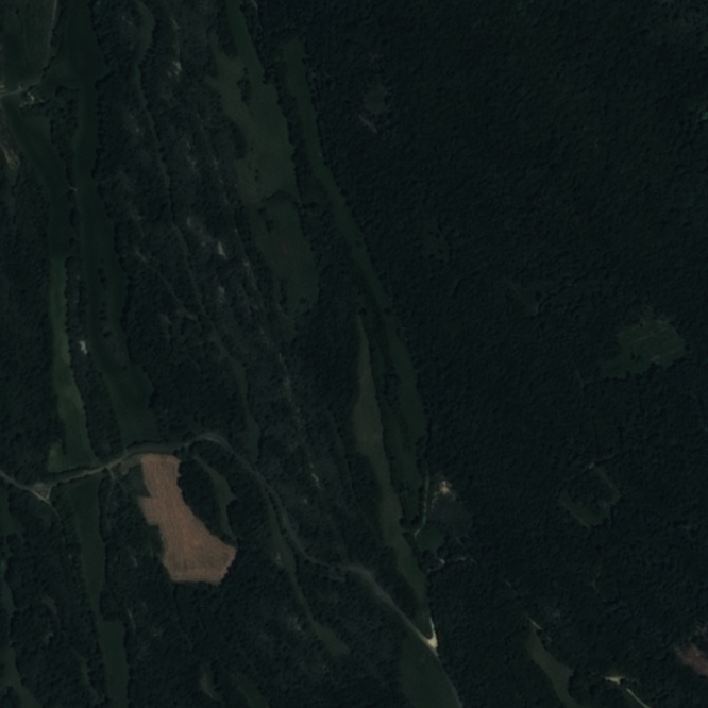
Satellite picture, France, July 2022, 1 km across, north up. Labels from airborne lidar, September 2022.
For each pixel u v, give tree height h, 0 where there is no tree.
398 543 0
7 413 10
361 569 0
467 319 12
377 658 10
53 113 11
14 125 0
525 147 9
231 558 0
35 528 11
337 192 0
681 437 19
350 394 11
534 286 8
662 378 20
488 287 18
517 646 17
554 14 18
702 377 18
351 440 7
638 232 15
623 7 17
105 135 15
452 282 13
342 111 18
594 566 19
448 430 16
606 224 14
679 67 15
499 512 12
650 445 20
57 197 0
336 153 21
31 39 0
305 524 8
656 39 21
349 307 8
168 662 12
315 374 6
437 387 15
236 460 11
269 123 0
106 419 8
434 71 11
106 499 10
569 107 20
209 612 12
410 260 9
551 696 16
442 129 12
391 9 15
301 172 12
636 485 12
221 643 13
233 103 0
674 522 11
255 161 0
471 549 19
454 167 11
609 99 18
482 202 14
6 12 7
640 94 16
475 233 13
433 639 0
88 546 0
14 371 13
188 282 13
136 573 6
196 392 8
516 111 13
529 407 14
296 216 0
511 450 10
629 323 22
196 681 19
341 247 18
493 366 13
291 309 6
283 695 15
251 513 12
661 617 17
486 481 9
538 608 16
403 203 15
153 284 11
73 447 0
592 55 20
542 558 12
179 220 13
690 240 21
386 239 17
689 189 19
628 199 16
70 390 0
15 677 0
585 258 14
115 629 0
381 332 10
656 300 18
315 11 18
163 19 9
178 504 0
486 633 15
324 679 7
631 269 16
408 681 0
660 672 18
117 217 17
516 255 11
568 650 16
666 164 19
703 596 20
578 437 14
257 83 0
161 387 16
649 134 21
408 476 0
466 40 17
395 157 13
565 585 13
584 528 15
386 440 7
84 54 0
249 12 19
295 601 10
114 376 0
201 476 12
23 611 8
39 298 9
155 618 11
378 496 7
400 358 0
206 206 9
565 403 17
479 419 8
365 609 9
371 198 16
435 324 12
